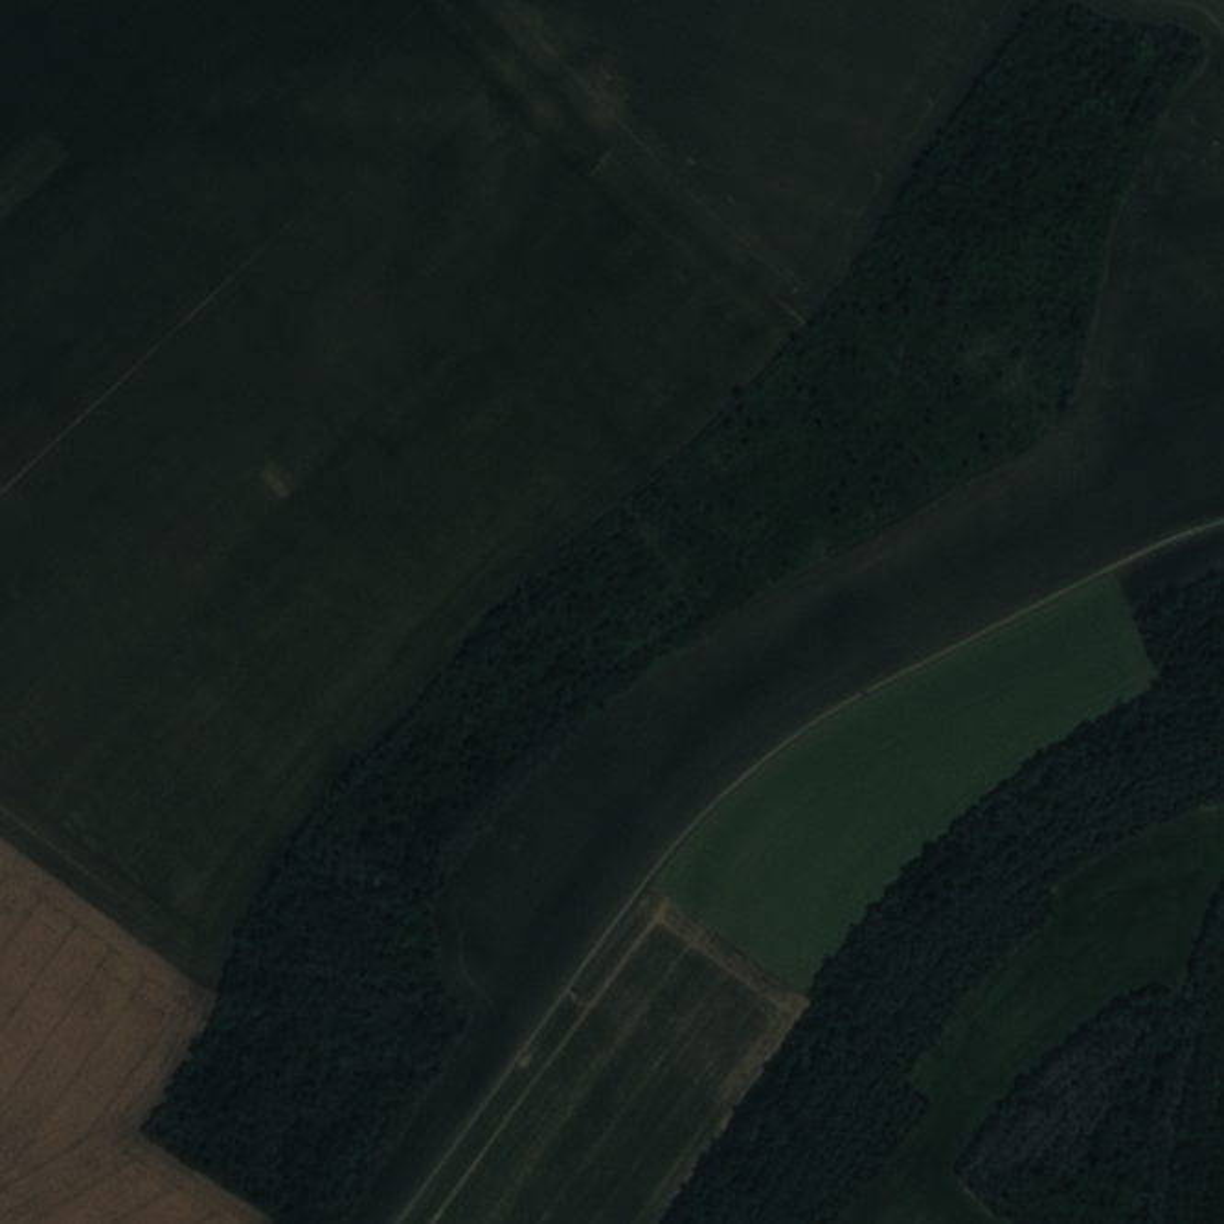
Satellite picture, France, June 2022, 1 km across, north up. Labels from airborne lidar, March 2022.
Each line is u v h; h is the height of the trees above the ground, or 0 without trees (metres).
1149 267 0
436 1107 0
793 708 0
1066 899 0
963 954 12
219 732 0
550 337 0
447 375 0
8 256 0
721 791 0
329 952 14
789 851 0
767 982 0
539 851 0
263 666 0
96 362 0
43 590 0
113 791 0
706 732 0
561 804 0
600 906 0
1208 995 19
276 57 0
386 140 0
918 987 9
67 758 0
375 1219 0
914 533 0
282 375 0
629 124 0
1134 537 0
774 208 0
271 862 0
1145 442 0
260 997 16
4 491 0
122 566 0
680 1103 0
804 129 0
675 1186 0
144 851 0
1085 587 0
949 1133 0
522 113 0
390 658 0
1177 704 11
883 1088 11
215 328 0
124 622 0
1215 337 0
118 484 0
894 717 0
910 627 0
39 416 0
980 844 11
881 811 0
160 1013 0
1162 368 0
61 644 0
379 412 0
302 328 0
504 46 0
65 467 0
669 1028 0
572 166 0
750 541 0
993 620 0
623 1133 0
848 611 0
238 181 0
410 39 0
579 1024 0
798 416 0
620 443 0
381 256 0
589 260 0
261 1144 14
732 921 0
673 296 0
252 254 0
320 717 0
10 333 0
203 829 0
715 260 0
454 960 0
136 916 0
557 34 0
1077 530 0
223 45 0
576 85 0
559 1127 0
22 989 0
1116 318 0
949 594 0
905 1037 15
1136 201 0
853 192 0
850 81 0
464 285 0
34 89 0
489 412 0
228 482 0
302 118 0
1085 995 0
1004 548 0
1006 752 0
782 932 0
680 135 0
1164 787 12
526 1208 0
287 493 0
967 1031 0
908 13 0
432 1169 0
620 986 0
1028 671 0
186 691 0
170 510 0
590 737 0
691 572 0
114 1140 0
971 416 0
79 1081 0
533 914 0
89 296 0
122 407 0
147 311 0
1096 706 0
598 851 0
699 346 0
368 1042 12
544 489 0
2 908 0
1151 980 0
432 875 21
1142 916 0
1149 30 6
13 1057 0
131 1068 0
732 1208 15
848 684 0
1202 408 0
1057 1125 22
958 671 0
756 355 0
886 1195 0
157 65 0
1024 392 0
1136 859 0
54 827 0
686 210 0
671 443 0
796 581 0
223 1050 10
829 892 0
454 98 0
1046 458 0
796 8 0
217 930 0
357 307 0
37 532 0
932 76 0
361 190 0
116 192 0
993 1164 16
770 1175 16
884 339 0
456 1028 10
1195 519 0
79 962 0
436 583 0
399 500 0
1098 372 0
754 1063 0
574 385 0
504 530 0
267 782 0
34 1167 0
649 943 0
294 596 0
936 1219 0
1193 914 0
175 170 0
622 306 0
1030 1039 0
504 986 0
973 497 0
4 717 0
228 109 0
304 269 0
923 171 9
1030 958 0
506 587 0
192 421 0
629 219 0
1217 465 0
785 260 0
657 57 0
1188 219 0
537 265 0
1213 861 0
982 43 0
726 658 0
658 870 0
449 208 0
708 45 0
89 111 0
